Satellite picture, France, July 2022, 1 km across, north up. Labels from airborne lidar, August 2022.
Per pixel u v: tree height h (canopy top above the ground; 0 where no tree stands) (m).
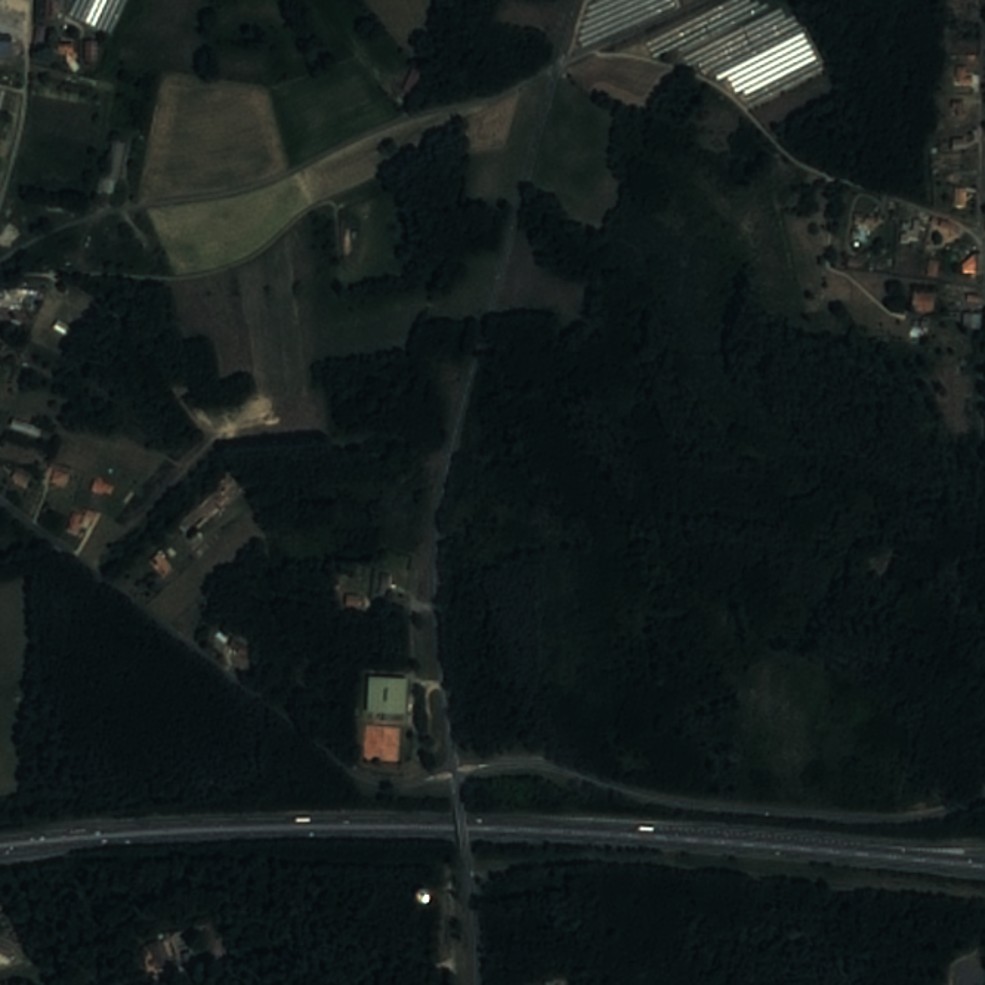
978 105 0
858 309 0
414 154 19
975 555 12
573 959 16
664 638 9
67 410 13
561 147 0
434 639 0
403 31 0
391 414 11
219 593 20
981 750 10
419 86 6
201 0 0
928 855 0
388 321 0
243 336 0
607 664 9
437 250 21
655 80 0
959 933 22
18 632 0
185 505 8
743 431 11
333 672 24
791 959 21
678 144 7
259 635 22
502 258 0
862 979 14
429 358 8
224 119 0
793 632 7
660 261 8
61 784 25
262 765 26
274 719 22
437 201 25
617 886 11
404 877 18
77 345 22
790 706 0
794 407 26
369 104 0
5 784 0
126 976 30
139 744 24
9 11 0
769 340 28
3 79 0
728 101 0
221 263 0
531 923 6
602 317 17
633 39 0
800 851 0
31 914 9
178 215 0
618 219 5
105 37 18
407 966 32
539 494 21
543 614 7
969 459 15
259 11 0
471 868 0
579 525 31
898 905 16
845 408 21
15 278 18
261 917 15
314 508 25
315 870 24
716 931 17
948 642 12
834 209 14
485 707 23
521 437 14
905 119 13
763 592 8
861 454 18
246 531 0
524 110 0
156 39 0
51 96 0
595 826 0
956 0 0
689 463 22
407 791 0
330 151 0
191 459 0
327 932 17
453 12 25
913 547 15
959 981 0
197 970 27
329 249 7
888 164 18
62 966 24
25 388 12
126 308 15
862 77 15
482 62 14
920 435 30
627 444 11
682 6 0
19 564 16
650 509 8
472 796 18
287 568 17
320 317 0
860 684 23
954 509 22
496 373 22
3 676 0
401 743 0
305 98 0
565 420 16
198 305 0
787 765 0
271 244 0
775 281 0
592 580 13
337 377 15
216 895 25
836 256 13
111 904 24
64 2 0
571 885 19
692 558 9
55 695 22
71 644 25
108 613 22
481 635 10
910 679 21
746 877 13
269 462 24
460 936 11
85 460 0
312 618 22
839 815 0
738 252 0
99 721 26
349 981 22
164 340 18
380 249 0
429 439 9
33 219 0
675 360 10
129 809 24
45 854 0
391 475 21
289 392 0
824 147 19
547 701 13
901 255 0
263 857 11
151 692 22
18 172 0
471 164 24
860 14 14
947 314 9
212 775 23
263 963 10
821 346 22
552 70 0
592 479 14
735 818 8
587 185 0
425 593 0
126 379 19
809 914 22
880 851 0
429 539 0
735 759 22
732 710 7
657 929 17
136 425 0
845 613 23
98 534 0
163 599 0
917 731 12
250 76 0
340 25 0
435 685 0
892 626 18
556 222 12
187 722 22
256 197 0
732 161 5
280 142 0
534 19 0
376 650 21
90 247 0
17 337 14
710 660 11
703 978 17
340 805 12
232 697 22
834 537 7
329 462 24
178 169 0
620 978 15
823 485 8
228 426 0
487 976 11
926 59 17
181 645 20
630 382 9
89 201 17
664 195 8
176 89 0
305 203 0
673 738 13
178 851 12
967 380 0
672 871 15
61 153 0
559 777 0
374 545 8
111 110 0
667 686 10
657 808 7
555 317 14
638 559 9
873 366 32
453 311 0
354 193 0
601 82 0
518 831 0
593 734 12
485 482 11
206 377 13
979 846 0
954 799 19
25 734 17
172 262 0
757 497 7
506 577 19
